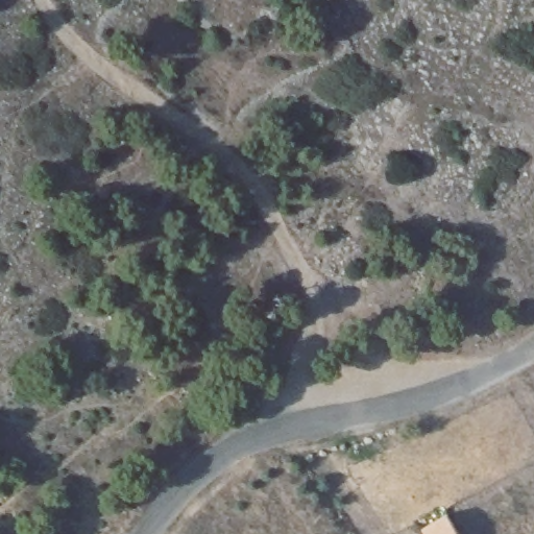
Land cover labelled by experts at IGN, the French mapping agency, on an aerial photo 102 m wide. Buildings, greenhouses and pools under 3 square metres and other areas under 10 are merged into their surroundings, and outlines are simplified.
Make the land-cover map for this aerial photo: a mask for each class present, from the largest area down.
<instances>
[{"label":"herbaceous vegetation","instance_id":"1","mask_svg":"<svg viewBox=\"0 0 534 534\"><path fill-rule=\"evenodd\" d=\"M282 0H0V52H4L6 56L15 54L21 35V15L29 13L35 15L40 35L38 46L44 50V56L52 48L56 52V65L52 67V71H48L44 77H38L31 88L4 90L0 94V474H13L23 480V484L17 486L10 496L0 499V534H15L13 515L29 509L40 499L46 505L56 507L52 511V517L48 519V524L54 530L52 534H125L136 515L142 513L138 507L152 505L161 492L177 486L173 482L175 474L181 471L200 451L209 448L207 434L204 430H198L188 417V409H184L186 394L181 386L194 382L200 375V359L204 348L209 346V342H217L221 332L225 330L221 313L232 292V286L248 284L252 288L257 300L252 302L248 315L252 321L261 325V332L265 336L261 363L265 367V375H277L280 380L288 375L292 369V340L296 336H323L327 340L338 338L340 325H355L361 319H365L367 353H363L361 361L355 367L375 369L390 359V348L386 340L380 338V325L394 315H401L411 330L419 332L417 348L423 353H430L434 344L430 321L421 319L419 313L411 309L413 300L426 294V273L419 269L417 273H405L394 280H363L367 263L357 257L365 246H371V232L388 227L392 236L407 238L413 254L417 257V265L423 267L438 246L432 240L434 234L448 232L469 236L471 250L478 257V267L469 275L465 286L446 284L436 294L438 307L444 313L457 315V319L465 327V334L469 336L463 340L461 350L457 355L480 357L486 338L492 344H503L507 340H513L515 336L521 342H526L528 336L524 332L528 330V325H534V71L507 58H501L492 50V44L494 38L505 29H517L524 23H534V0H307V8L317 21L321 40L315 44L317 50L307 52L292 48L286 38H280L277 42L269 40V31L273 25L271 19L277 17ZM69 23L96 50L98 56L108 58L106 40L115 38L113 27L125 29V44L134 46L136 56L142 60V69H131L125 60H113L123 73H131L138 81L144 83L148 75H156L161 71V63L167 60L173 67L171 90H165L163 86H154L152 90L161 96L165 104L154 106L129 102L113 81L94 75L77 58V54L69 50L56 35V31L63 25ZM202 27L215 29V38L221 46V54L217 58H209V54L200 46ZM346 54L353 58V65L367 81L380 86L382 96L388 100L384 104H378L373 111L357 115L355 119L344 111H332L334 102L319 96L313 88V73L323 71L330 65H336ZM280 96L296 98L288 108L273 111L271 119H282L284 131L292 136V142L300 148H307L309 156L321 159L323 165L317 171L321 179L309 175L305 184L311 188V194L315 198L311 207L296 215H284L288 232L296 240L305 261L323 282L317 294H307L300 280V271L288 265V259L284 257L277 240L271 236L275 232V223H267V215L275 211L280 190L273 186L271 175H261L248 163V159L240 154L236 144L244 138L246 119L252 117L261 104ZM46 100L50 111H75L81 119L88 121L96 111H104L106 117L115 121V129L121 131L125 129V117L129 113H136L152 125V134L167 146L171 154L159 161L152 156L148 146H140L136 150H131V146H119L98 150L96 167L92 173L83 171L81 165L71 161L67 152H38L25 123V111ZM444 121H461L463 127L469 131V136L463 142V148L469 152V163H457L453 156L442 154L440 146L434 144L432 136ZM496 146L524 148L526 152H530V163L521 169V175L515 186L501 181L494 194V207L484 209L480 204V198L476 196L474 181L480 177L482 169L488 167V156ZM392 150H398L405 156V161L413 165V177L417 181L401 186L390 184L386 179L388 152ZM204 156L213 161L211 179L215 184L232 188L240 202V209L234 221L229 223L227 236H221L200 223L198 204L192 198L186 200L171 192L175 188V165L194 167L202 163ZM31 171H38L42 177L50 179V184L44 188L46 198H60V194L65 192H77L81 204L88 209L94 225L102 234H108L113 229L119 236V246L134 244L140 250L138 263L140 269L148 275L165 277V257L159 252V238L165 232L163 217L167 213L181 211L186 215L181 227L184 257L194 259L200 242H207L211 263L202 273H194L190 269L179 267L173 273V286L177 290V296L184 300V305H190L194 309L192 319L186 321L192 323L194 334H179L188 350L177 357L175 371L169 378L173 390H156V373L148 361L159 359L163 348H169L173 353L177 344L175 340L163 334V321L154 317V305L142 298L138 286L127 284L119 275H115L111 280V302L119 311L113 315L96 317L81 309L88 302L90 290L81 288L79 275H71L67 269L58 265V254H75L81 248V244H71L69 234L60 229L42 232V221L44 213H48V202L25 198L23 192V175H31ZM277 305L296 307L300 317L296 327L290 330L282 323V317H275ZM121 309H129L136 319L144 321V336H154V344L144 355L146 361H142L136 369L129 367V348H111L106 342L111 330L119 332L121 327ZM494 311L507 313L511 321L519 327L494 330ZM35 348L50 350L48 359L52 363V382L60 386L65 403L58 411L54 407H44L42 403H38L35 409H17L13 405V396L17 394L10 375L13 361L21 353H33ZM129 446H138V455H144L154 463L148 484L144 488V499L134 503L117 501V513H111L102 519L98 511V494L108 488L106 482L115 474L113 467L123 463V451ZM346 434L361 436L363 444H369L378 453L373 459L357 463L346 459L344 446H336V438L340 434L323 438H298L292 442H277L273 446L265 444L257 446L254 451L242 457H236L234 461L217 469L211 465V471L204 478L188 484V488L192 490L190 496L184 501L181 507H177L171 513L167 524H163V528L156 534H423V528H428L430 521H436L440 517H448L457 534H534V365H530L517 375H511L505 384H499L488 392H482L480 396H476L474 390H469L463 396H455L446 403H440L436 405L432 415H423L419 421H407L405 417H401L398 421H369L344 428ZM321 461H330V465L344 476V484L334 494V507L330 509H321L317 505L315 494L300 492L296 484L284 482L280 478L282 471L292 474L296 467L300 474L317 469ZM269 398L263 390L248 382L242 390H236L232 409V419L236 428L263 417Z\"/></svg>","mask_w":534,"mask_h":534},{"label":"deciduous trees","instance_id":"2","mask_svg":"<svg viewBox=\"0 0 534 534\"><path fill-rule=\"evenodd\" d=\"M273 25L269 31V40L277 42L280 38H286L292 48L307 52L317 50L315 44L321 40L317 21L307 8V0H282L277 17L271 19ZM21 35L27 40H35L40 35L35 15L29 13L21 15ZM115 38L106 40L108 58L113 60H125L131 69H142V60L136 56L134 46L125 44V29L113 27ZM200 46L209 54V58H217L221 54V46L215 38V29L202 27ZM173 67L167 60L161 63V71L156 75H148L144 83L152 90L154 86H163L165 90H171ZM296 98L280 96L261 104L252 117L246 119L244 138L236 144L240 154L248 159V163L261 175H271L273 186L280 190L275 211L284 215H296L311 207L315 198L311 194V188L305 184L309 175L321 179L317 171L323 165L321 159L309 156L307 148H300L292 142V136L284 131L282 119H271L273 111L288 108ZM92 125V134L90 146L83 148L81 165L83 171L92 173L96 167L98 150L119 146H131V150H136L140 146H148L152 156L159 161L171 154L167 146L152 134V125L136 113H129L125 117V129L121 131L115 129V121L106 117L104 111H96L88 121ZM213 161L204 156L202 163L194 167L175 165V188L171 192L186 200L192 198L198 204L200 223L221 236H227L229 223L234 221L240 209V202L232 188L215 184L211 179ZM50 184V179L42 177L38 171H31V175H23V192L25 198L48 202V213H44L42 221V232L60 229L69 234L71 244H81V248L75 254H58V265L67 269L71 275H79L81 288L90 290L88 302L81 309L96 317L113 315L119 311L111 302V280L115 275H119L127 284L138 286L142 298L154 305V317L163 321V334L175 340L177 344L173 353L169 348H163L159 359L148 361L156 373V390H173L169 378L175 371L177 357L188 350L179 334H194L192 323L186 321L192 319L194 309L190 305H184V300L177 296V290L173 286V273L179 267L190 269L194 273H202L211 263L207 242H200L194 259L184 257L181 227L186 215L181 211L167 213L163 217L165 232L159 238V252L165 257V277L148 275L140 269L138 263L140 250L134 244L119 246V236L113 229L108 234H102L94 225L88 209L81 204L77 192H65L60 194V198H46L44 188ZM371 246H365L357 257L367 263L363 280H394L405 273H417L419 269L426 273V294L413 300L411 309L419 313L421 319L430 321L434 344L430 353L457 355L461 350L463 340L469 336L465 334V327L457 319V315L444 313L438 307L436 294L446 284L465 286L469 275L478 267V257L471 250L469 236L448 232L434 234L432 240L438 246L423 267L417 265V257L413 254L407 238L392 236L388 227L371 232ZM257 300L252 288L248 284L232 286V292L221 313L225 330L221 332L217 342H209V346L204 348L200 359V375L194 382L181 386L186 394L184 409H188V417L198 430H204L207 434L223 436V432L236 428L232 419V409L236 390H242L248 382L263 390L269 398L277 396L280 380L277 375H265V367L261 363L265 336L261 332V325L252 321L248 315L252 302ZM275 317H282V323L290 330L296 327L300 317L296 307L277 305ZM121 327L119 332L111 330L106 342L111 348H129V367L136 369L142 361H146L144 355L154 344V336H144V321L136 319L129 309H121ZM494 330L519 327L511 321L507 313L494 311ZM419 332L411 330L401 315H394L380 325V338L386 340L390 348V359L415 363L417 359H421L423 353L417 348ZM363 353H367L365 319H361L355 325H340L338 338L327 340V346L323 350H317L311 363L315 382L332 384L336 378H340L342 367H355L361 361ZM50 350L35 348L33 353H21L13 361L10 375L17 394L13 396V405L17 409H35L38 403H42L44 407H54L58 411L65 403L60 386L52 382V363L48 359ZM123 463L113 467L115 474L106 482L108 488L98 494V511L102 519L111 513H117V501L134 503L144 499V488L148 484L154 463L144 455H138V446H129L123 451ZM23 484V480L13 474H0V499L10 496L17 486ZM56 507L46 505L40 499L29 509L13 515L15 534H52L54 530L48 524V519L52 517V511Z\"/></svg>","mask_w":534,"mask_h":534},{"label":"brushwood","instance_id":"3","mask_svg":"<svg viewBox=\"0 0 534 534\"><path fill-rule=\"evenodd\" d=\"M492 50L501 58H507L534 71V23H524L517 29H505L494 38L492 44ZM40 35L35 40H27L21 35L15 54L6 56L4 52H0V94L4 90L31 88L38 77H44L48 71H52V67L56 65V52L52 48L44 56V50L38 46ZM313 88L319 96L334 102L332 111H344L355 119L357 115L373 111L378 104H384L388 100L382 96L380 86L367 81L353 65V58L346 54L336 65H330L323 71L313 73ZM25 123L38 152H67L71 161L81 165L83 148L90 146L92 134V125L88 121L81 119L75 111H50L46 100L25 111ZM469 136V131L463 127L461 121H444L432 136L434 144L440 146L442 154L453 156L457 163H469V152L463 148V142ZM530 163V152H526L524 148L496 146L488 156V167L482 169L480 177L474 181L476 196L480 198V204L484 209L494 207V194L501 181L515 186L521 175V169ZM386 179L390 184L401 186L417 181L413 177V165L405 161V156L398 150H392L388 152ZM336 446H344L346 459L357 463L373 459L378 453L369 444H363L361 436L346 434H340L336 438ZM280 478L284 482L296 484L300 492L315 494L317 505L321 509H330L334 507V494L344 484V476L330 465V461H321L317 469L300 474L296 467L292 474L282 471Z\"/></svg>","mask_w":534,"mask_h":534},{"label":"impervious surface","instance_id":"4","mask_svg":"<svg viewBox=\"0 0 534 534\"><path fill-rule=\"evenodd\" d=\"M528 336L526 342H521L515 336L513 340H507L503 344H492L486 338L480 357L490 355L492 363L463 369L415 388L353 403L313 407L305 411H294V407L288 405L277 415L263 417L236 428L223 432V436L207 434L209 448L200 451L181 471L175 474L173 482L177 486L161 492L152 505L138 507L142 513L136 515L125 534H156L163 528V524H167L171 513L177 507H181L184 501L190 496L192 490L188 488V484L204 478L211 471V465L217 469L234 461L236 457H242L254 451L257 446L265 444L273 446L277 442H292L298 438H323L340 434H346L344 428L369 421H398L401 417H405L407 421H419L423 415H432L436 405L440 403H446L455 396H463L469 390H474L476 396H480L482 392H488L499 384H505L511 375H517L530 365H534V325H528V330L524 332Z\"/></svg>","mask_w":534,"mask_h":534},{"label":"pervious surface","instance_id":"5","mask_svg":"<svg viewBox=\"0 0 534 534\"><path fill-rule=\"evenodd\" d=\"M56 35L69 50L77 54V58L94 75L113 81L129 102L154 106L165 104L161 96L152 90L144 83L138 81L131 73H123L113 60L108 58L98 56L96 50L69 23L63 25L56 31ZM267 223H275V232L271 236L277 240L284 257L288 259V265L300 271V280L307 294H317L323 282L305 261L296 240L288 232L284 215L275 211L267 215ZM327 346V340L323 336H296L292 340V369L288 375L280 380L277 396L269 398L263 417L277 415L288 405L294 407V411H305L313 407L353 403L415 388L463 369L492 363L490 355L480 357L457 355L430 353H423L421 359H417L415 363L390 359L375 369L355 367H342L340 378H336L332 384L315 382L311 363L317 350H323Z\"/></svg>","mask_w":534,"mask_h":534},{"label":"building","instance_id":"6","mask_svg":"<svg viewBox=\"0 0 534 534\"><path fill-rule=\"evenodd\" d=\"M423 534H457L448 517H440L436 521H430L428 528H423Z\"/></svg>","mask_w":534,"mask_h":534}]
</instances>
